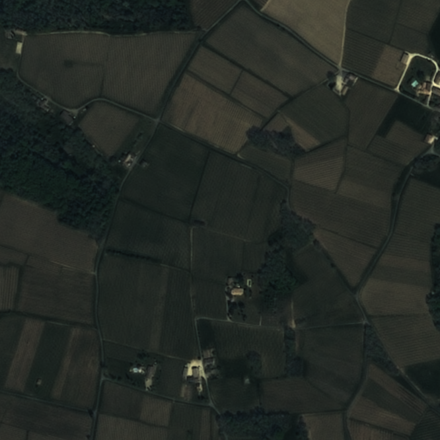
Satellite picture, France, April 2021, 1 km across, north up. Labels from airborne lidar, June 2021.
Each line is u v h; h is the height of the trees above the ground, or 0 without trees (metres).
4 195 0
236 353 0
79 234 0
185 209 0
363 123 0
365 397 0
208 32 0
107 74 0
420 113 0
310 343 0
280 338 0
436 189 0
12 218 0
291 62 0
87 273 0
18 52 0
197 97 0
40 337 0
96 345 0
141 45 0
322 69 0
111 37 0
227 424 17
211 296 0
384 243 0
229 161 0
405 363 0
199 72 0
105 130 0
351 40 0
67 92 0
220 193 0
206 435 0
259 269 0
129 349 0
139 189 0
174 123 0
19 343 0
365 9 0
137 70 0
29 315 0
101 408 0
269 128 0
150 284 0
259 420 22
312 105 0
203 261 0
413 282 0
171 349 0
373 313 0
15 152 28
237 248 0
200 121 0
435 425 0
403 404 0
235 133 0
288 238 21
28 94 13
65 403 0
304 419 0
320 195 0
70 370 0
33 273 0
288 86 0
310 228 17
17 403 0
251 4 0
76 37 0
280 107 0
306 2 0
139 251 0
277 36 0
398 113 0
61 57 0
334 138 0
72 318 0
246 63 0
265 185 0
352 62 0
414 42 0
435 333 0
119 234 0
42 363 0
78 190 16
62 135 8
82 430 0
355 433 0
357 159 0
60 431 0
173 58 0
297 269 0
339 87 0
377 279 0
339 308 0
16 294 0
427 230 0
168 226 0
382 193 0
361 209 0
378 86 0
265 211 0
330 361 0
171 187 0
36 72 0
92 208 13
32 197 19
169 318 0
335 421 0
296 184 0
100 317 0
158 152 0
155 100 0
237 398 0
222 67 0
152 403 0
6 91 20
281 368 0
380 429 0
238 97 0
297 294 0
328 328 0
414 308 0
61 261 0
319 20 0
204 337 0
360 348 0
